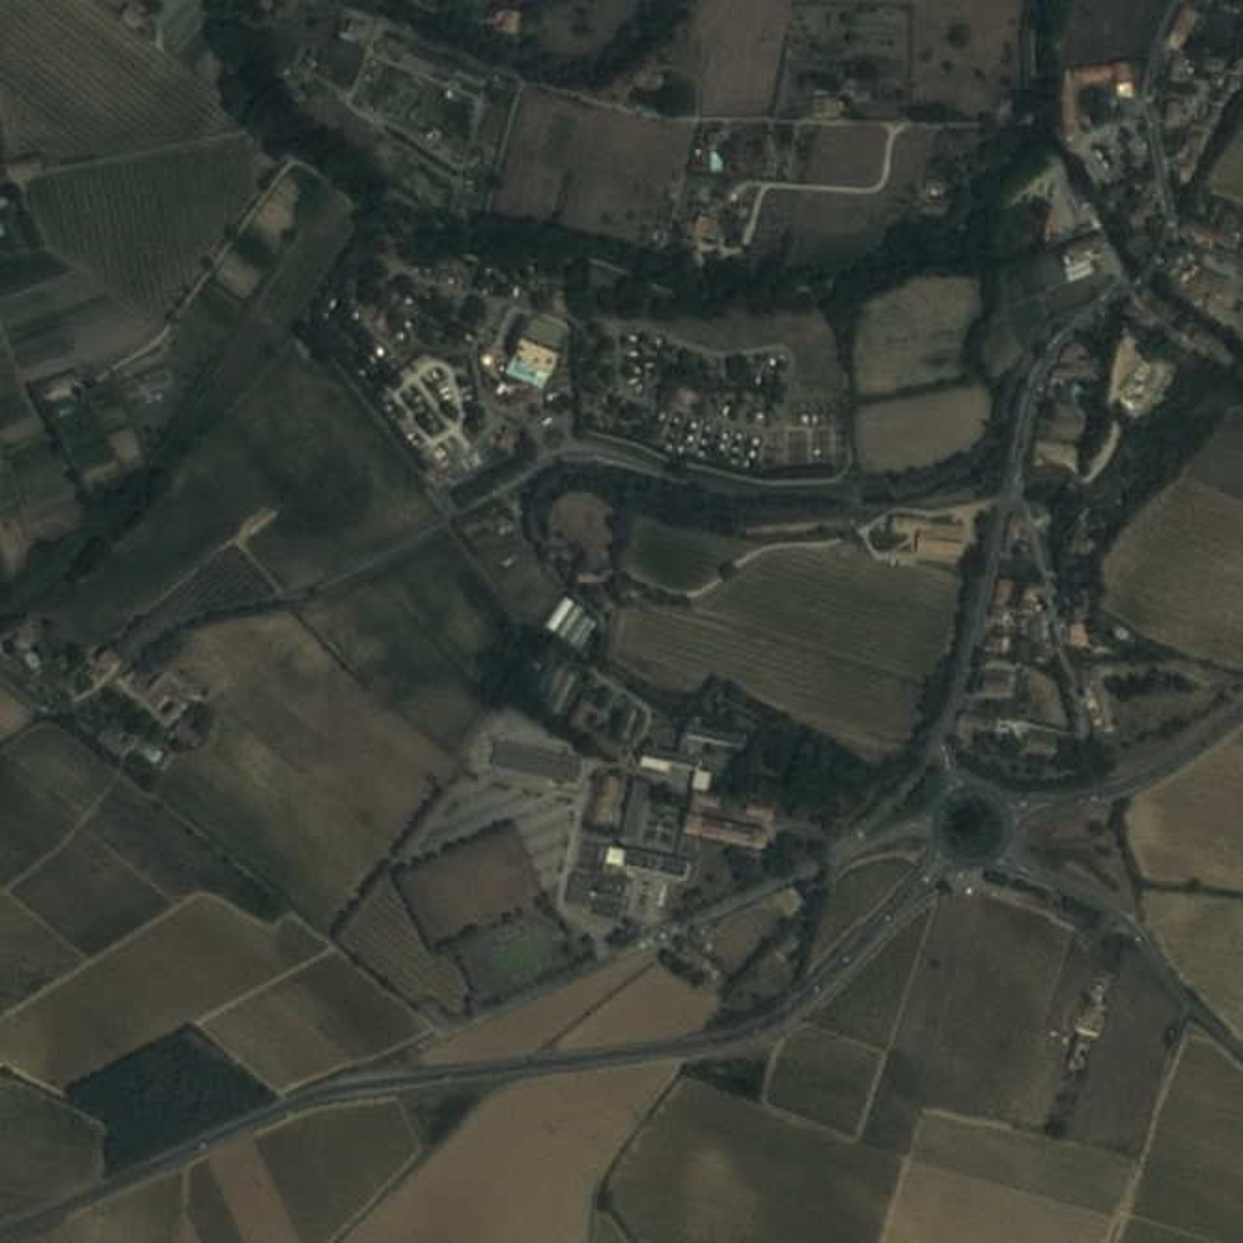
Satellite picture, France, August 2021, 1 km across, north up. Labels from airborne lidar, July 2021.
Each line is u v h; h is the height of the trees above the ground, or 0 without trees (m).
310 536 0
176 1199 0
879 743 0
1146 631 0
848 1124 0
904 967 0
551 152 0
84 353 0
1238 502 0
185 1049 15
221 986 0
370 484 0
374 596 0
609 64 15
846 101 11
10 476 0
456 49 10
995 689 0
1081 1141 0
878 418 0
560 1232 0
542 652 12
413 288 12
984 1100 0
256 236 0
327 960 0
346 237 0
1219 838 0
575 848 0
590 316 18
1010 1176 0
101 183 0
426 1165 0
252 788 0
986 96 0
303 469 0
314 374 0
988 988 0
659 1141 0
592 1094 0
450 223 10
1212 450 0
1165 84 9
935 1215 0
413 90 0
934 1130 0
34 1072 0
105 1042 0
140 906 0
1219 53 6
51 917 0
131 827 0
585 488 10
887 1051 0
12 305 0
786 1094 0
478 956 0
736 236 7
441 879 0
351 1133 0
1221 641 0
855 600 0
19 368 0
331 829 0
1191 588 0
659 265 17
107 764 9
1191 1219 0
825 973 0
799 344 0
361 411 0
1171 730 10
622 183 0
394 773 0
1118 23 0
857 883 0
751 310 18
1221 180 0
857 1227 0
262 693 0
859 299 12
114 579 0
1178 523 0
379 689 0
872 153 0
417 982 0
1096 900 0
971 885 0
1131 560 0
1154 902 0
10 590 9
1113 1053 0
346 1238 0
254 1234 0
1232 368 6
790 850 14
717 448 9
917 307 0
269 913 0
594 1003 0
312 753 0
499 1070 0
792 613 0
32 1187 0
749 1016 7
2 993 0
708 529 6
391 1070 0
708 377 9
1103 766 7
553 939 0
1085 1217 0
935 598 0
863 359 0
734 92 0
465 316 12
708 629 0
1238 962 0
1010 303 0
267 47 6
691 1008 0
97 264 0
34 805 0
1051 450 0
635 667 0
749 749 12
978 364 6
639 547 0
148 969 0
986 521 9
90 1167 0
